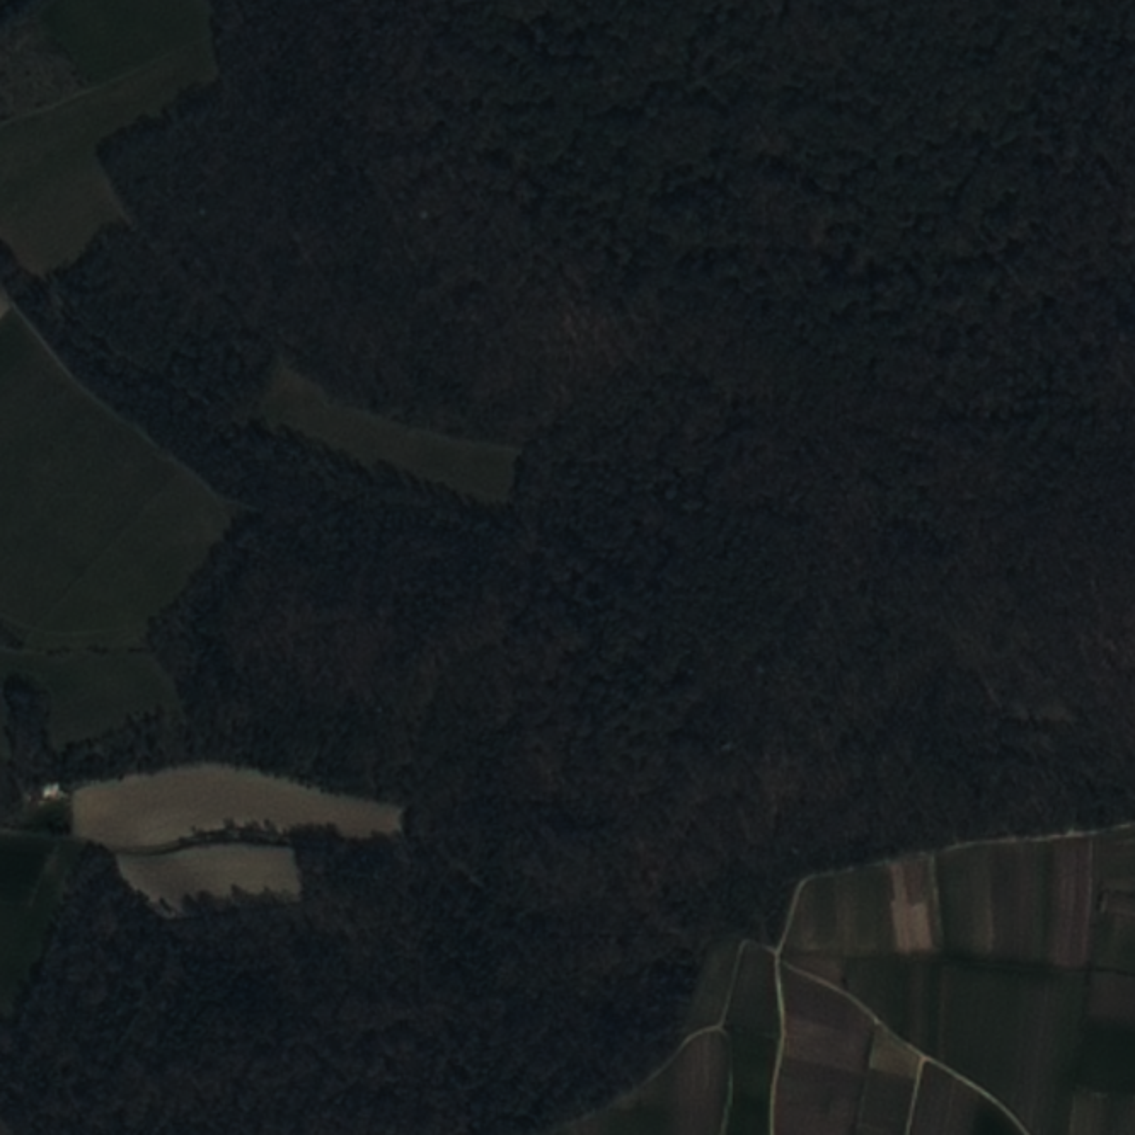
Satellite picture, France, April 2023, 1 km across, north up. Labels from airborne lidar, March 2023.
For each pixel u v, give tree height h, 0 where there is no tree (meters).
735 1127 0
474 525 14
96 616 0
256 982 16
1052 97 19
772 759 24
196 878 0
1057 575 26
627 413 13
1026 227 21
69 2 0
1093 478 23
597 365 21
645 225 18
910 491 26
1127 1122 0
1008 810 20
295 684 10
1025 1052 0
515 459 0
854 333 24
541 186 21
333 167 15
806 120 24
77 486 0
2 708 0
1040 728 14
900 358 24
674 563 27
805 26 26
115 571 0
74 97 0
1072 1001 0
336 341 16
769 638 20
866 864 18
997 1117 0
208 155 23
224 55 16
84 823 0
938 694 17
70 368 9
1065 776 23
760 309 25
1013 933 0
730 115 22
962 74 24
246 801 0
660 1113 0
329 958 14
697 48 19
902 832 22
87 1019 24
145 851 0
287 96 18
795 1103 0
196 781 0
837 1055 0
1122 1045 0
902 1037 0
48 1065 21
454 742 18
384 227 14
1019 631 23
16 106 0
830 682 20
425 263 16
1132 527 19
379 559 17
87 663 0
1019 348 18
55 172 0
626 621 20
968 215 22
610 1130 0
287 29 15
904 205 19
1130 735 27
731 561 25
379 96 20
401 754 13
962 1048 0
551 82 24
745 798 26
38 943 0
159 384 22
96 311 22
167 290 14
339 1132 17
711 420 23
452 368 10
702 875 20
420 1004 14
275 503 18
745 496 22
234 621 14
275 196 15
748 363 26
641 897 23
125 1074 26
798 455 23
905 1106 0
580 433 18
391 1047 18
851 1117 0
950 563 21
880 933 0
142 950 18
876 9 22
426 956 20
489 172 22
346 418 0
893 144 23
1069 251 25
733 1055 0
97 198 0
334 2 16
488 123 21
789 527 26
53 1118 12
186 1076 18
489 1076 12
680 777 25
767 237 24
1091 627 27
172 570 0
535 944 26
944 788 24
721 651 25
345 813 0
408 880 26
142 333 22
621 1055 19
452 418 17
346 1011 21
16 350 0
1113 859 0
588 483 13
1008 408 14
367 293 15
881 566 25
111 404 11
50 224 0
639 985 10
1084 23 19
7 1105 15
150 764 16
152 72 0
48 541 0
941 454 26
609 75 23
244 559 14
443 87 20
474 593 16
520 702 22
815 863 19
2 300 0
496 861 12
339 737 9
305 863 17
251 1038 14
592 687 20
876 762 24
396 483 22
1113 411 20
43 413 0
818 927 0
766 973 0
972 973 0
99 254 15
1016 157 27
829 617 25
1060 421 24
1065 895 0
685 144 24
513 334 18
